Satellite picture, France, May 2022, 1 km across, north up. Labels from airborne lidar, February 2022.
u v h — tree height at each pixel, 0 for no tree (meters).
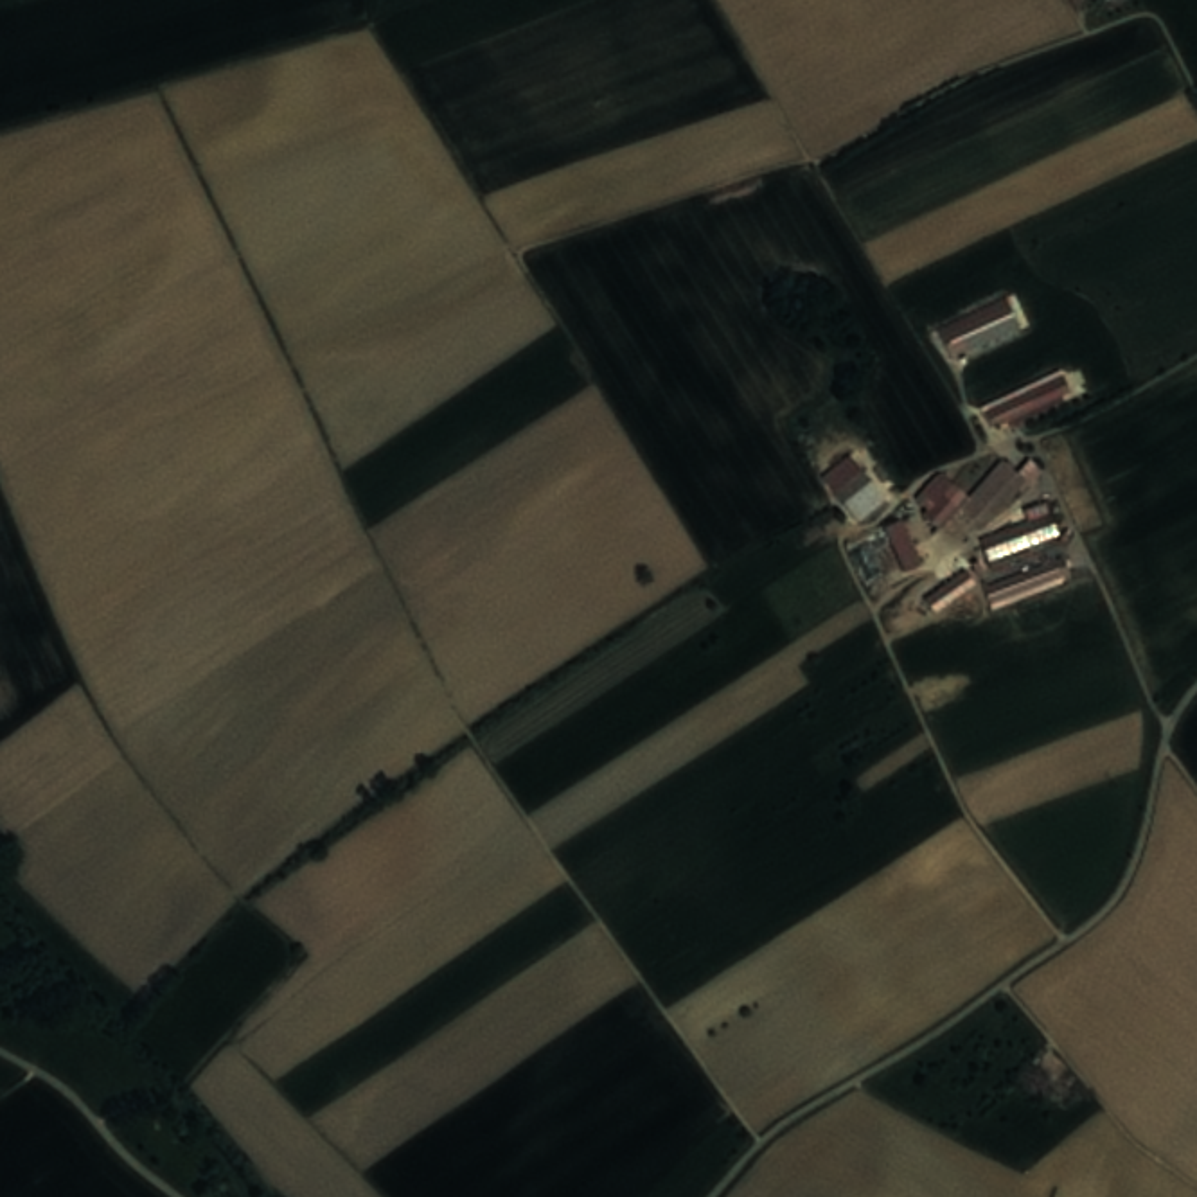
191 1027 0
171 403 0
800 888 0
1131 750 0
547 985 0
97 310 0
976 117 0
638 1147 0
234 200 0
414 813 0
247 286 0
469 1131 0
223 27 0
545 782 0
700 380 0
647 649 0
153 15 0
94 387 0
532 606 0
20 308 0
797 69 0
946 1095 0
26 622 0
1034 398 0
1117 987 0
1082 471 0
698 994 0
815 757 0
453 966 0
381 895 0
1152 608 0
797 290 13
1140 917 0
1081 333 0
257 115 0
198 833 0
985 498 0
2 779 0
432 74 0
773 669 0
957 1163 0
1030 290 0
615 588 0
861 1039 0
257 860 0
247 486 0
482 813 0
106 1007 18
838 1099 0
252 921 0
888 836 0
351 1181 0
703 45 0
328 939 0
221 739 0
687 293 0
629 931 0
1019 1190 0
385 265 0
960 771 0
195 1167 0
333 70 0
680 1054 0
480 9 0
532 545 0
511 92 0
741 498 0
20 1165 0
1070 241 0
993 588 0
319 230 0
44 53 0
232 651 0
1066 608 0
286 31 0
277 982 0
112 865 0
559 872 0
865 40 0
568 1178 0
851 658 0
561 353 0
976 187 0
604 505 0
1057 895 0
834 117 0
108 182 0
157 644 0
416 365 0
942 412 0
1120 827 0
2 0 0
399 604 0
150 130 0
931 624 0
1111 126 0
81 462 0
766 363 0
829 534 0
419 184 0
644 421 0
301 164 0
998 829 0
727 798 0
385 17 0
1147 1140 0
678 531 0
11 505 0
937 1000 0
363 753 0
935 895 0
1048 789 0
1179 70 0
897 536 0
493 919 0
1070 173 0
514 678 0
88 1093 0
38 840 0
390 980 0
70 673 0
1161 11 0
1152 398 0
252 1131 0
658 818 0
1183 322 0
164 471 0
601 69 0
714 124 0
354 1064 0
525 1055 0
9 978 26
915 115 8
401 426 0
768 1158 0
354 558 0
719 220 0
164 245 0
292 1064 0
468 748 0
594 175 0
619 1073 0
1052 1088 0
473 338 0
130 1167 0
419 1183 0
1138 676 0
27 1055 0
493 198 0
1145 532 0
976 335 0
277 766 0
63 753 0
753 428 0
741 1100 0
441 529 0
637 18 0
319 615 0
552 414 0
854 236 0
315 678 0
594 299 0
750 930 0
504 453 0
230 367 0
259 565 0
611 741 0
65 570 0
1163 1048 0
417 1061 0
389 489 0
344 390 0
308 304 0
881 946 0
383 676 0
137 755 0
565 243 0
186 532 0
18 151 0
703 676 0
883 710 0
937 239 0
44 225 0
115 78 0
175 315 0
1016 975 0
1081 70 0
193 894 0
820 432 0
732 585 0
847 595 0
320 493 0
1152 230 0
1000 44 0
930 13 0
